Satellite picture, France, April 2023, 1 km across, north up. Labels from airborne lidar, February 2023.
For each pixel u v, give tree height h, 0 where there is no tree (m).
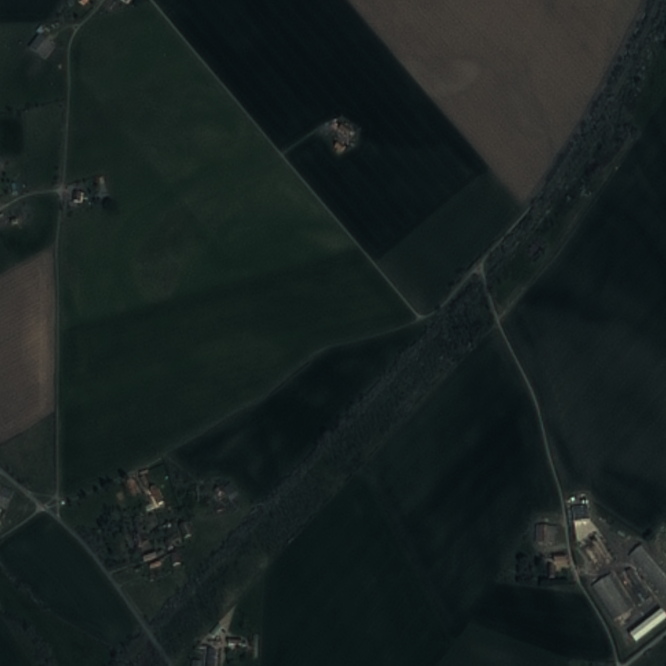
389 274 0
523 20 0
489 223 0
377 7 0
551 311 0
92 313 0
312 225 0
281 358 0
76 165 0
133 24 0
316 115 0
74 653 0
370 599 0
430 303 0
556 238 0
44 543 0
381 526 0
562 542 0
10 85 0
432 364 11
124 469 0
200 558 0
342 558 0
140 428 0
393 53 0
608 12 0
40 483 0
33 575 0
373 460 0
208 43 0
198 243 0
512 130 0
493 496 0
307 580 0
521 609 0
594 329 0
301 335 0
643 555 0
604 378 0
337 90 0
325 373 0
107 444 0
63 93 0
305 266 0
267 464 0
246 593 0
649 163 0
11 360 0
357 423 14
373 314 0
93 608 0
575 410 0
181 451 0
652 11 7
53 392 0
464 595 0
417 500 0
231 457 0
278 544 14
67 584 0
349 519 0
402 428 0
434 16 0
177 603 9
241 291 0
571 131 0
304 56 0
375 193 0
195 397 0
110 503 0
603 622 0
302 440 0
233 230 0
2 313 0
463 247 0
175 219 0
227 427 0
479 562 0
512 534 0
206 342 0
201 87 0
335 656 0
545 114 0
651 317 0
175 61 0
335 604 0
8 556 0
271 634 0
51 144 0
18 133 0
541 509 0
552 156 0
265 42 0
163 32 0
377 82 0
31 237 0
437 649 0
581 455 0
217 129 0
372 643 0
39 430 0
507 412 0
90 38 0
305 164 0
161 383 0
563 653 0
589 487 0
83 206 0
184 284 0
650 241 0
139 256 0
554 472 0
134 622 0
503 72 0
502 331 0
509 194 0
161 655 13
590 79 0
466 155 0
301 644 0
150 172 0
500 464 0
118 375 0
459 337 15
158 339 0
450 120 0
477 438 0
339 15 0
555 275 0
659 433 0
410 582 0
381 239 0
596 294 0
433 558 0
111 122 0
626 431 0
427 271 0
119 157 0
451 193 0
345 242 0
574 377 0
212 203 0
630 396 0
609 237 0
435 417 0
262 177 0
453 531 0
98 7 0
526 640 0
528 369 0
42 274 0
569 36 0
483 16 0
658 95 0
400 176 0
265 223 0
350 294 0
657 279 0
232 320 0
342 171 0
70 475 0
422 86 0
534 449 0
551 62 0
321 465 0
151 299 0
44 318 0
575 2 0
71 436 0
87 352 0
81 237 0
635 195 0
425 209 0
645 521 0
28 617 0
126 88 0
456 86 0
